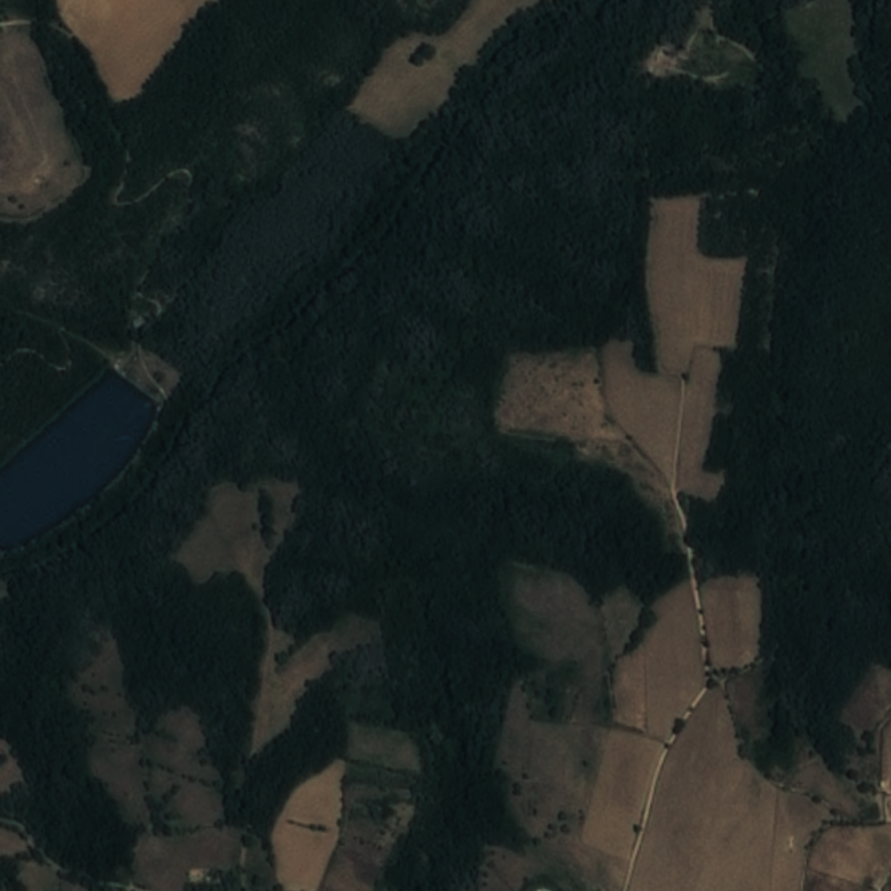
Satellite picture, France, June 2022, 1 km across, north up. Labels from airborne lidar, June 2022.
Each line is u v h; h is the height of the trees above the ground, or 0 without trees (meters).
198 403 13
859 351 8
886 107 15
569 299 21
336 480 21
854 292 11
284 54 14
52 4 14
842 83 0
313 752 9
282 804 7
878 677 0
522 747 0
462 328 10
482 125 23
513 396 0
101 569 12
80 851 13
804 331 12
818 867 0
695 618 0
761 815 0
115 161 15
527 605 0
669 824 0
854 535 9
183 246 13
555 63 20
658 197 14
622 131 22
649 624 7
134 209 11
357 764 6
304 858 0
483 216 16
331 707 10
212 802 0
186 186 10
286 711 0
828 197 16
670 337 0
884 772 0
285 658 14
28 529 0
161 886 0
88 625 6
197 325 16
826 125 13
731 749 0
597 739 0
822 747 15
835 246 14
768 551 11
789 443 11
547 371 0
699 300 0
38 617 17
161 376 16
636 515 19
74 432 0
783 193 17
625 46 11
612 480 14
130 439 0
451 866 19
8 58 0
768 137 14
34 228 11
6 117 0
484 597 7
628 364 0
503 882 0
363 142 19
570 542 20
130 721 0
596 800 0
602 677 0
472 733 12
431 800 10
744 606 0
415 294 15
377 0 9
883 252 11
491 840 14
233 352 15
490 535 15
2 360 8
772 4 10
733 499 11
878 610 19
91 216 7
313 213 19
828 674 14
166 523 16
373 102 0
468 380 9
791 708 7
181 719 0
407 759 0
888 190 17
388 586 9
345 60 10
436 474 7
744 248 8
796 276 20
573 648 0
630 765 0
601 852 0
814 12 0
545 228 10
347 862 0
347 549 11
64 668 10
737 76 0
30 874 0
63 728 15
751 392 12
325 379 17
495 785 8
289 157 9
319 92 15
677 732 11
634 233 16
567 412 0
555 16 12
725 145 10
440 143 18
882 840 0
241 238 20
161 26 0
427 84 0
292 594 18
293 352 6
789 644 20
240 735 12
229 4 13
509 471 12
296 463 8
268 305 14
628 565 18
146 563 10
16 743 15
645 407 0
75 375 8
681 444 0
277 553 6
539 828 0
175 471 20
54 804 22
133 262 10
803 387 12
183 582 10
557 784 0
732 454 14
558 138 11
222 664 12
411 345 21
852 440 13
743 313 9
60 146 0
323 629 9
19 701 19
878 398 9
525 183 6
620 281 15
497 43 12
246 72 14
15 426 11
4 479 0
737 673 10
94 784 8
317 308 28
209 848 0
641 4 20
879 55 17
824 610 16
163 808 9
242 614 7
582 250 13
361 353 10
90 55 14
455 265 12
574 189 19
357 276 24
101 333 17
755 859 0
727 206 13
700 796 0
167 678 16
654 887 0
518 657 13
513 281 7
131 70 0
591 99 17
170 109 14
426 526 8
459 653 15
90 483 0
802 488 23
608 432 0
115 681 0
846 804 0
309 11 13
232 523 0
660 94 8
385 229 15
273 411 12
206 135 14
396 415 9
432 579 16
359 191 17
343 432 10
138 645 11
